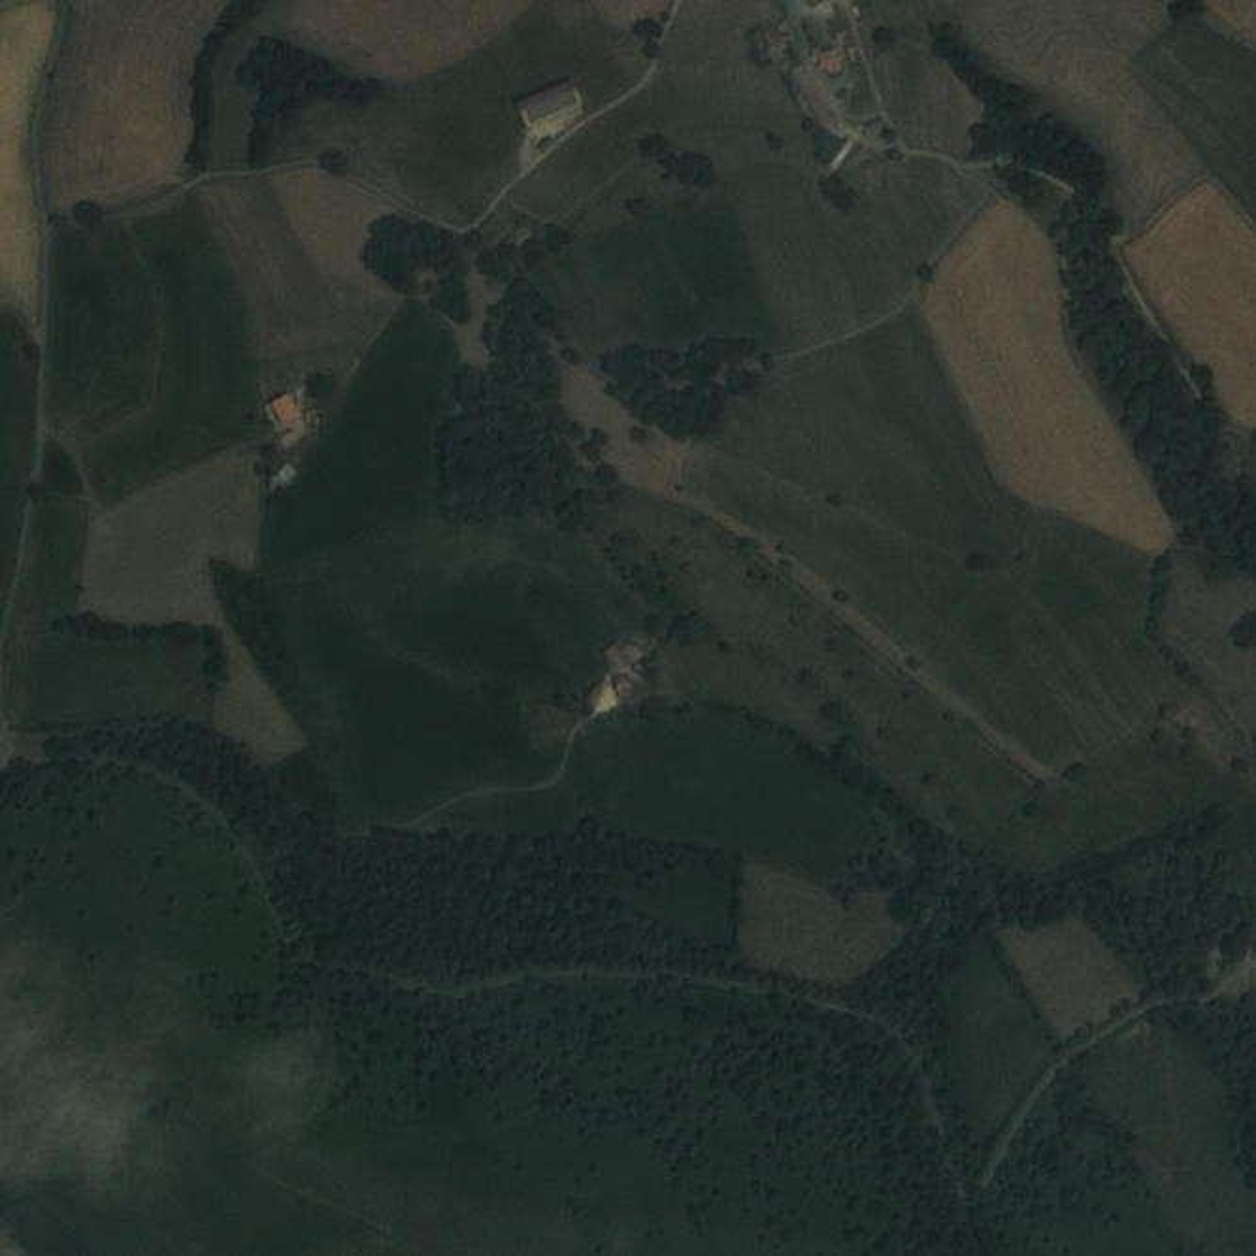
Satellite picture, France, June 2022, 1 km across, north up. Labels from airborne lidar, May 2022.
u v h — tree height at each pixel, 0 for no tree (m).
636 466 0
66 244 0
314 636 0
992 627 0
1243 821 0
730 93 0
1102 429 0
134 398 0
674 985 14
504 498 22
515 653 0
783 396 0
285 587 0
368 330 0
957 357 0
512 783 0
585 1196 0
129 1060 0
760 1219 0
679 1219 0
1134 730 0
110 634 17
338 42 0
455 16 0
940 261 0
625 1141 0
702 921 0
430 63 0
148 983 0
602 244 0
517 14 0
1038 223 0
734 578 0
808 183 0
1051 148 15
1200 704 0
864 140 0
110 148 0
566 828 0
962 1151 19
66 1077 0
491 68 0
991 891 12
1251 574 10
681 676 0
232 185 0
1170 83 0
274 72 15
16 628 0
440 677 0
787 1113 11
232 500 0
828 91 0
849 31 0
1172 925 12
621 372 17
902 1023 12
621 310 0
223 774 19
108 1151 0
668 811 0
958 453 0
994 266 0
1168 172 0
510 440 17
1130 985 0
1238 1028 9
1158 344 21
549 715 0
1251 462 0
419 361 0
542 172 0
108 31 0
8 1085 0
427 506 0
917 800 0
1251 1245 0
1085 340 12
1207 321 0
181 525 0
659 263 0
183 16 0
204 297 0
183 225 0
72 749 13
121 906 0
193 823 8
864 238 0
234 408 0
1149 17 0
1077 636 0
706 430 13
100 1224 0
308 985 14
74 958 0
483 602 0
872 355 0
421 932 10
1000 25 0
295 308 0
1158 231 0
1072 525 0
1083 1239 0
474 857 10
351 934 20
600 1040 8
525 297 19
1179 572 0
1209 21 0
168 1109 8
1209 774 0
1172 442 9
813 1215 0
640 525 0
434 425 0
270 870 16
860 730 0
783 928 0
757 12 0
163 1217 0
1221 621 0
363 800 0
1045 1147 11
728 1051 9
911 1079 10
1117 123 0
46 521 0
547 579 0
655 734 0
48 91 0
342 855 11
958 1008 0
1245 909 10
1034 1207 8
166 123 0
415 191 0
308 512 0
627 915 15
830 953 0
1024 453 0
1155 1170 0
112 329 0
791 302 0
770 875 0
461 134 0
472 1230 0
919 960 9
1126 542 0
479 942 16
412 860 8
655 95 0
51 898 0
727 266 0
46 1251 0
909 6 0
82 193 0
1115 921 13
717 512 0
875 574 0
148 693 0
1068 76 0
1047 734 0
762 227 0
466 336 0
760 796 0
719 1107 6
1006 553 0
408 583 0
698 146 0
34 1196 0
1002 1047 0
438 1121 0
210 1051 0
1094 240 10
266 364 0
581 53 0
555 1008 9
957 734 0
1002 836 0
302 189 0
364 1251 0
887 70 0
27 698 0
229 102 0
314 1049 13
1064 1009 0
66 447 0
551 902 12
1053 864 0
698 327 0
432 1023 15
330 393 15
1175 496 15
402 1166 0
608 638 0
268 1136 0
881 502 0
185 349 0
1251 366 0
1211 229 0
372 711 0
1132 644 0
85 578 0
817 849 0
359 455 0
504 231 0
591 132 0
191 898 0
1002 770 0
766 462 0
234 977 0
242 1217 0
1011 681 0
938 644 0
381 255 17
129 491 0
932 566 0
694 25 0
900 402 0
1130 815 0
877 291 0
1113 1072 0
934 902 15
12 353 0
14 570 0
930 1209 17
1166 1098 0
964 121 0
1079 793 0
